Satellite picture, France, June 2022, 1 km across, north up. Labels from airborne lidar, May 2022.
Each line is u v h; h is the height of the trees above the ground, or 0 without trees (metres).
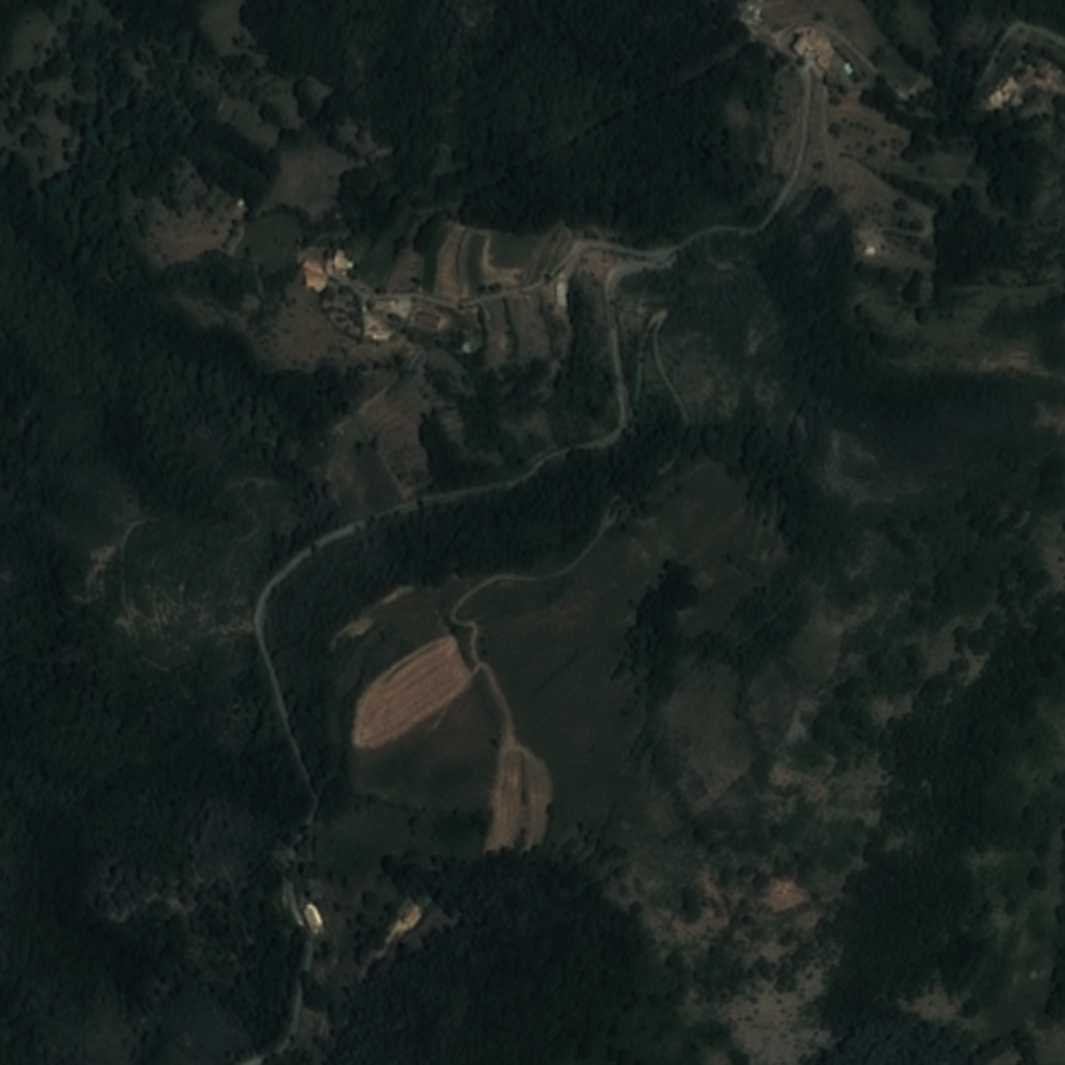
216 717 6
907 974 15
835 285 7
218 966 8
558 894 15
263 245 0
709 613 0
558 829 0
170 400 10
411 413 0
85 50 10
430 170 5
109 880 8
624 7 13
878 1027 30
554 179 13
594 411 10
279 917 8
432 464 9
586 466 6
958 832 15
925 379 9
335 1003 11
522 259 0
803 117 0
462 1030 16
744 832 0
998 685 15
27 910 12
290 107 0
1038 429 0
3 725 16
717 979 8
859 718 9
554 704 0
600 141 16
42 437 11
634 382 7
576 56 15
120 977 17
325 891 0
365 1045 16
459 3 13
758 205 8
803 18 0
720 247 6
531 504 9
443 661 0
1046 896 0
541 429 0
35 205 18
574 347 10
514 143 22
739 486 0
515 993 17
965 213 14
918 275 12
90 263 16
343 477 0
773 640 7
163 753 17
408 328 9
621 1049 7
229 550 0
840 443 0
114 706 13
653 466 6
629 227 9
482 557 7
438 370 8
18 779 13
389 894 0
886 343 12
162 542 0
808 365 8
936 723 11
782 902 0
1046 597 7
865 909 10
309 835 14
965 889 17
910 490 0
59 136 0
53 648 10
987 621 10
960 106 18
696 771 0
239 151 14
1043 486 9
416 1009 17
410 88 12
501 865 13
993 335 0
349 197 10
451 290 0
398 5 14
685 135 15
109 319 22
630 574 0
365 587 7
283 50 13
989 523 10
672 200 12
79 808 19
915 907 14
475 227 9
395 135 11
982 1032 0
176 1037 6
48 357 10
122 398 19
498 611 0
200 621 0
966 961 9
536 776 0
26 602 10
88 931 19
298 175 0
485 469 9
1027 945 0
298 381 19
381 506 0
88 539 0
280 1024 13
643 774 0
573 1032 23
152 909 8
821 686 0
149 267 13
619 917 15
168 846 17
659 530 0
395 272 0
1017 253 6
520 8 23
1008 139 14
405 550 6
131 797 15
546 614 0
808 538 14
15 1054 10
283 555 8
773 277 9
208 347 10
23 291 13
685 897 8
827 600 0
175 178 9
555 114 12
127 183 17
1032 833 7
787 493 14
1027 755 0
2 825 15
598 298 0
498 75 24
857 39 0
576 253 0
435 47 13
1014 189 15
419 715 0
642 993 7
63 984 10
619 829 0
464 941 15
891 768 7
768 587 9
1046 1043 0
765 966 7
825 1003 10
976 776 14
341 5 14
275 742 7
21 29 0
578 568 0
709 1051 0
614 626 0
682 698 0
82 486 0
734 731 0
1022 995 0
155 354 15
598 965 19
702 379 0
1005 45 8
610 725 0
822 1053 6
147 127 12
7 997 14
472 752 0
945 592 14
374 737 0
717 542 0
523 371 7
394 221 9
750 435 15
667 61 15
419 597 0
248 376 13
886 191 0
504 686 0
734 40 10
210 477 6
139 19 15
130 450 12
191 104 11
